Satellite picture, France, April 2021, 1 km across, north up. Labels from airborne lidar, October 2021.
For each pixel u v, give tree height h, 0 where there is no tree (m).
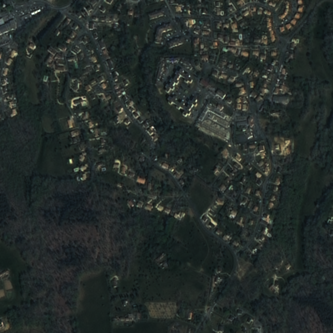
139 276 6
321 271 17
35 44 16
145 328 0
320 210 13
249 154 0
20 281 12
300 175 21
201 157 10
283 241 21
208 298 15
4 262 0
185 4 7
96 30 8
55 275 9
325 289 16
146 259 8
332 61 11
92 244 7
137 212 15
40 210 12
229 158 0
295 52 14
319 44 0
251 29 9
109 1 0
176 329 9
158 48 7
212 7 7
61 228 18
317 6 10
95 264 17
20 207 14
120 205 11
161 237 23
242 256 19
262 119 0
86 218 20
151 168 8
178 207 12
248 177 10
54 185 18
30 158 20
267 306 22
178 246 9
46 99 23
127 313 0
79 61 8
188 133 15
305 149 0
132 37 9
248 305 8
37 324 24
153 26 0
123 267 15
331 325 22
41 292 27
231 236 5
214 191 13
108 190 19
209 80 16
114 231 15
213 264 8
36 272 12
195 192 0
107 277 12
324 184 0
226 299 17
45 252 17
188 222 0
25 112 16
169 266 10
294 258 15
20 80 27
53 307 15
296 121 0
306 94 17
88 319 0
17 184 17
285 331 21
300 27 11
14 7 0
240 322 20
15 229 15
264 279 18
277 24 0
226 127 0
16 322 18
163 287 0
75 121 0
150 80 21
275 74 7
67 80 10
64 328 11
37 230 18
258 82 8
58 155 0
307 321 6
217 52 0
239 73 7
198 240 0
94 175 22
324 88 22
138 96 6
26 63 0
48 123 0
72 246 13
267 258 22
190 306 6
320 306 22
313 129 0
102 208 13
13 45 0
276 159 15
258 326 0
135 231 22
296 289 16
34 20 15
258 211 0
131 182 0
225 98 6
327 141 24
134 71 0
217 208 0
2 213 15
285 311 16
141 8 19
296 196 17
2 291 0
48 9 19
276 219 11
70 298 22
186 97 0
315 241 19
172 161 17
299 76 0
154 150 7
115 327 0
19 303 0
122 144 16
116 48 11
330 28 9
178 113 0
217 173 0
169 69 0
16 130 14
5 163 14
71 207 13
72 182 21
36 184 18
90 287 0
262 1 8
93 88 0
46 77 0
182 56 10
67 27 9
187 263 0
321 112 19
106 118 8
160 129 23
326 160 25
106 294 0
